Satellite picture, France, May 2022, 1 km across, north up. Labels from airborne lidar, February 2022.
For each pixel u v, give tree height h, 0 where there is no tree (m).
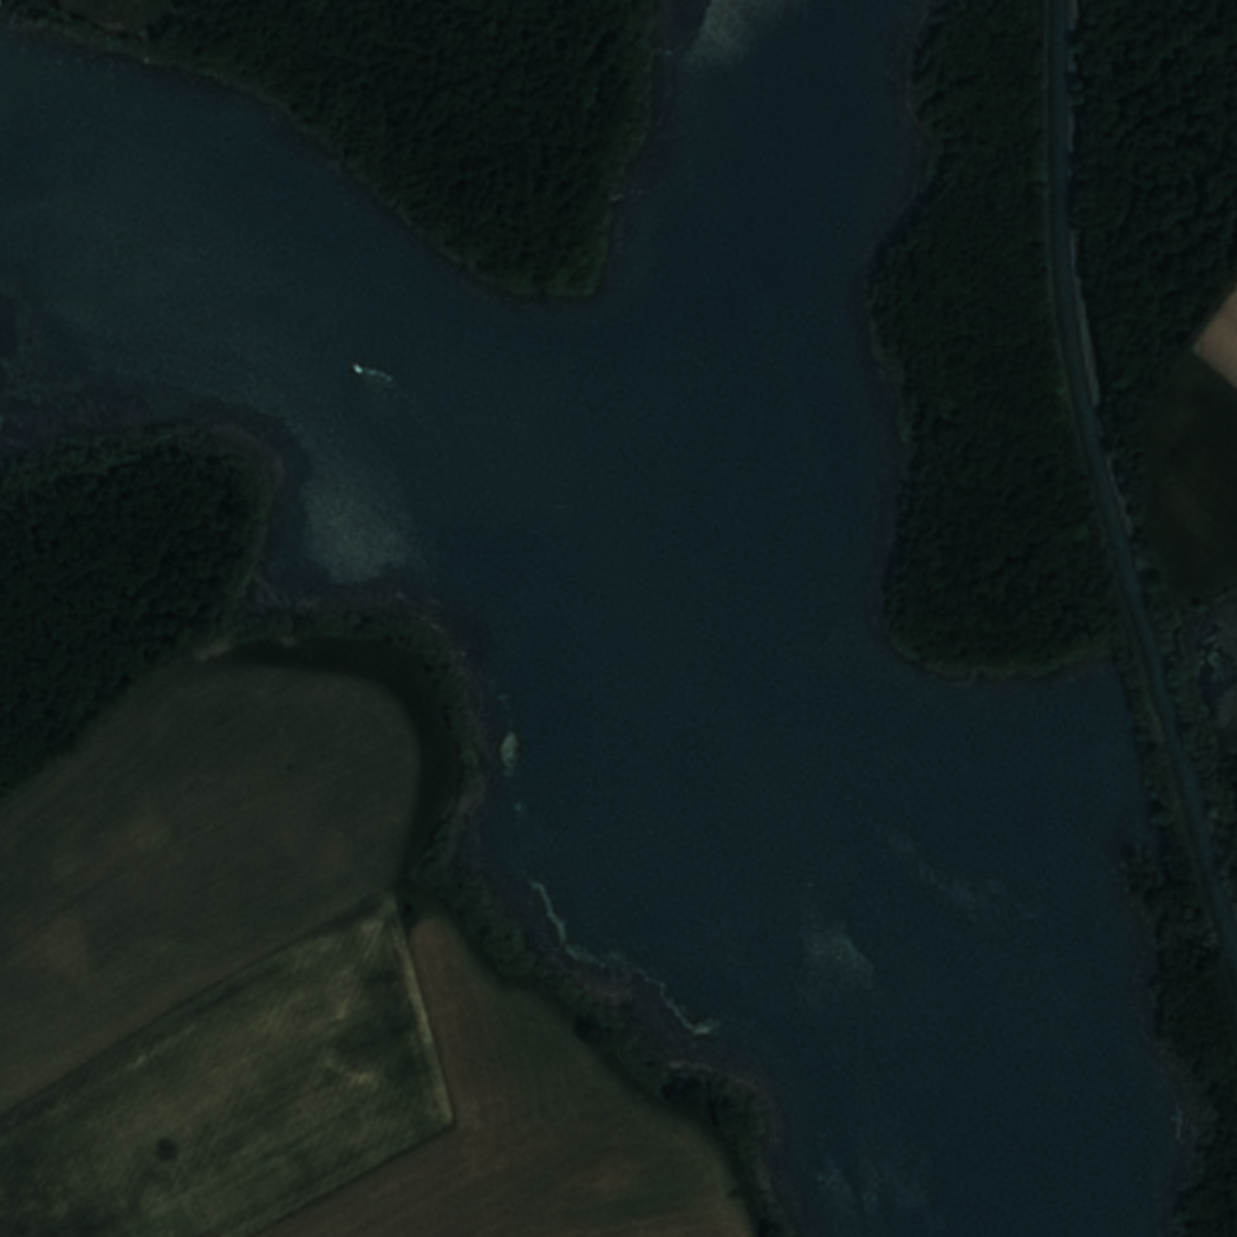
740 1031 0
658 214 0
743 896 0
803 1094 0
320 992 0
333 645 0
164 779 0
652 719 0
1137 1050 0
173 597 20
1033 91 20
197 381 0
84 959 0
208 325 0
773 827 0
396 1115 0
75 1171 0
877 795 0
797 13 0
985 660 14
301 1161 0
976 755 0
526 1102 0
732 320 0
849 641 0
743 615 0
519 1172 0
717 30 0
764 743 0
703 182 0
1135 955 0
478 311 0
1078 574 24
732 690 0
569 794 0
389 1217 0
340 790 0
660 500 0
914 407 11
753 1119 7
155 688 0
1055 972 0
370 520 0
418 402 0
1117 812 0
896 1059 0
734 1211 0
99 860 0
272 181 0
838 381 0
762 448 0
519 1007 0
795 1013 0
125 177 0
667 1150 0
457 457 0
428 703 0
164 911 0
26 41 0
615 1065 0
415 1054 0
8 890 0
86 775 0
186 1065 0
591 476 0
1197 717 18
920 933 0
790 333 0
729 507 0
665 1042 0
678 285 0
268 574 0
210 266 0
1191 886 19
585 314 0
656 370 0
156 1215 0
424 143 24
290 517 0
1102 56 20
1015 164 23
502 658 0
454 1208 0
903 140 0
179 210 0
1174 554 0
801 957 0
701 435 0
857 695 0
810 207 0
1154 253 21
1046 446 25
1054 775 0
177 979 0
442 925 0
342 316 0
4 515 20
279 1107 0
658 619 0
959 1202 0
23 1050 0
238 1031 0
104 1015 0
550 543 0
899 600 16
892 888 0
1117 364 17
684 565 0
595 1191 0
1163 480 0
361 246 0
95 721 12
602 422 0
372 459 0
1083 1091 0
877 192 0
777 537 0
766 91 0
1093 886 0
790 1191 0
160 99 0
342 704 0
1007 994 0
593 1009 6
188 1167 0
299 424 0
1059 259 0
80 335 0
